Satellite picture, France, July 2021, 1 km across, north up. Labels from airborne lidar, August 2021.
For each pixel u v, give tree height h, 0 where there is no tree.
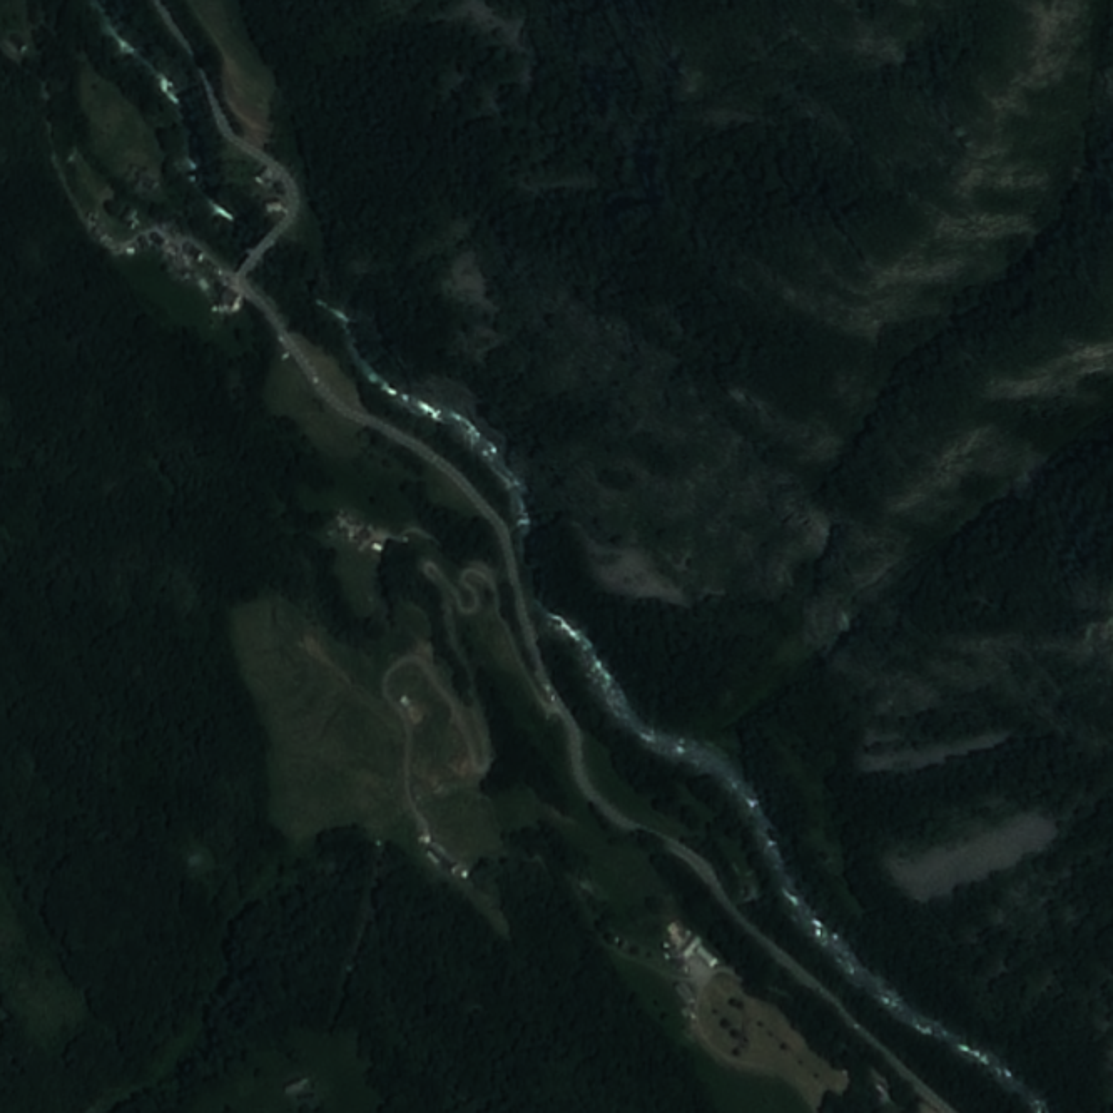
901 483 7
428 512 12
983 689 13
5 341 26
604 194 11
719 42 10
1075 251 13
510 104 21
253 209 18
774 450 11
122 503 19
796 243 8
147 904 30
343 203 16
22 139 15
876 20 8
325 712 0
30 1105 26
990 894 9
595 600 17
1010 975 8
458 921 12
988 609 7
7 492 20
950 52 18
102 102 0
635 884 0
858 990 15
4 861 9
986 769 21
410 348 17
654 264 21
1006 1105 14
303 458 18
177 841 8
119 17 10
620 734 17
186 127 17
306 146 19
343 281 13
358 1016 13
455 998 15
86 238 21
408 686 0
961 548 17
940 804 9
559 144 10
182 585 7
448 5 12
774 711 10
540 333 9
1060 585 11
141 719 16
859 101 8
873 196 20
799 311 9
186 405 15
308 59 11
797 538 8
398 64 26
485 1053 21
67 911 31
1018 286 22
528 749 23
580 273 12
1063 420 17
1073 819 6
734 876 13
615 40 8
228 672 17
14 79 8
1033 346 6
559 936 21
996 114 0
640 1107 14
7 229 23
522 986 11
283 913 10
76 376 26
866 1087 12
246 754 10
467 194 14
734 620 7
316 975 9
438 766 0
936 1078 15
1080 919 6
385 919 18
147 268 0
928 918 10
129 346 17
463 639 6
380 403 17
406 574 6
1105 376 19
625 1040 20
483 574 0
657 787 8
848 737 12
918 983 15
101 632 18
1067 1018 13
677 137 8
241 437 16
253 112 0
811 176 17
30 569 16
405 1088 23
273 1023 16
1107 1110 13
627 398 7
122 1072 23
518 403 8
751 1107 0
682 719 9
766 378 16
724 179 13
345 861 10
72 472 15
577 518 6
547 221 20
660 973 0
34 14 10
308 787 0
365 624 11
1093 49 6
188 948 15
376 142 22
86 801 22
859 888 18
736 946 23
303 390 0
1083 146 19
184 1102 13
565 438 10
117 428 18
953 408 12
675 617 11
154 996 25
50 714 21
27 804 18
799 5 7
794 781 8
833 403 11
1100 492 17
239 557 20
